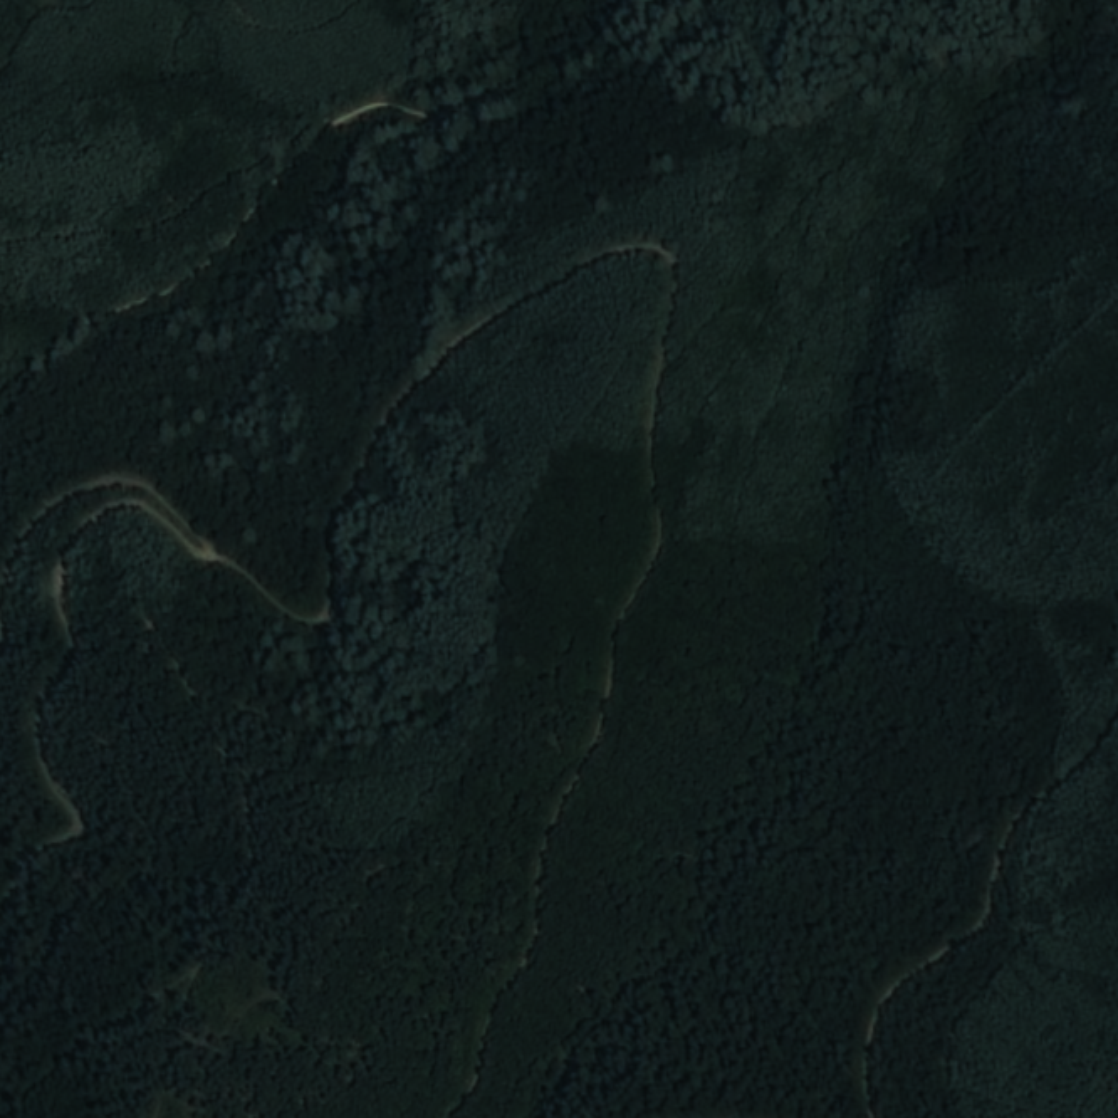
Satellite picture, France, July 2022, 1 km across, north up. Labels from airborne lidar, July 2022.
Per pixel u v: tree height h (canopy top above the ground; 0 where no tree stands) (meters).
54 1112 10
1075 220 12
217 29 12
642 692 18
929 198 15
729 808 28
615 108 27
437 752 16
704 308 18
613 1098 27
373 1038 22
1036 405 7
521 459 17
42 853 9
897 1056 13
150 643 19
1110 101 10
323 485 16
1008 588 18
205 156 21
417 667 30
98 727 24
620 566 17
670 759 14
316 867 26
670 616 17
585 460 16
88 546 18
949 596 12
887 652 20
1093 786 18
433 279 17
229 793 20
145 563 22
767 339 11
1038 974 11
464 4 21
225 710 21
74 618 10
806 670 30
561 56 14
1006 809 19
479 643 26
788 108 34
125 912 6
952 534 16
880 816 9
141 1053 26
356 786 17
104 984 16
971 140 16
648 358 16
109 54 15
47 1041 7
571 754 17
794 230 16
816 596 18
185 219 15
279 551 30
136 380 18
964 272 20
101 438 13
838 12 40
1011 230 17
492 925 22
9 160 19
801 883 25
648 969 32
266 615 25
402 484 28
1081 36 9
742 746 24
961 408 12
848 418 14
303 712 31
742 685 20
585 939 19
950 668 21
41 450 16
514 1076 20
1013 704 20
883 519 14
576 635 16
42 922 11
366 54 13
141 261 17
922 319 21
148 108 21
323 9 14
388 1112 17
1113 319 13
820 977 19
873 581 15
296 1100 23
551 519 17
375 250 17
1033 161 17
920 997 18
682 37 15
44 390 21
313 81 14
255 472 27
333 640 42
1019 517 16
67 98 16
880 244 15
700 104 22
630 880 22
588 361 13
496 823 22
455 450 27
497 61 17
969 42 34
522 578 17
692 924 26
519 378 17
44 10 12
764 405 22
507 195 23
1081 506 13
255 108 20
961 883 17
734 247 17
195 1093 20
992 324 9
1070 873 16
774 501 15
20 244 18
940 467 17
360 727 6
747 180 18
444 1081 20
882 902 14
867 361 18
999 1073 13
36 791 19
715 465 19
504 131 21
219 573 17
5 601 10
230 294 27
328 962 25
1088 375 8
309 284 27
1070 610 11
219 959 25
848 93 33
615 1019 24
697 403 24
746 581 26
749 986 19
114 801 28
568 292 14
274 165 19
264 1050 27
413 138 17
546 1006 21
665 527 6
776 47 18
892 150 13
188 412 21
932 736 15
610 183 21
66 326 10
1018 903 14
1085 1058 15
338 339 24
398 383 17
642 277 16
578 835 20
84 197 22
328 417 16
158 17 13
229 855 11
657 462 11
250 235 20
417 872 23
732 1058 17
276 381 18
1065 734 17
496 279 19
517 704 19
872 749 14
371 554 38
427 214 23
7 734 17
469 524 15
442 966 8
